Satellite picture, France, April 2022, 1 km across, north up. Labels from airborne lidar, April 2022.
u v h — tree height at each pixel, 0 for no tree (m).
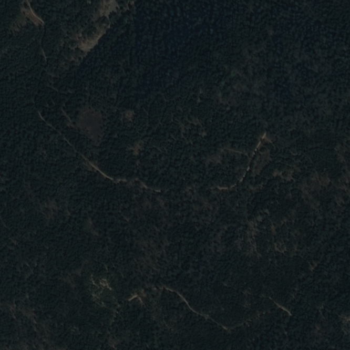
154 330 17
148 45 24
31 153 17
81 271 18
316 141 10
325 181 12
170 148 22
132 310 33
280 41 24
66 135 22
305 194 16
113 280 16
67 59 15
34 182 22
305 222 14
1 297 19
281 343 16
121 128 16
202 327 22
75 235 25
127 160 16
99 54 18
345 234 16
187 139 22
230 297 11
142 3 17
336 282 31
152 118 13
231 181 14
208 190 10
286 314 16
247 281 20
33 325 20
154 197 22
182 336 15
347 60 16
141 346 29
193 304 17
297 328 22
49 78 21
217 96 14
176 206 9
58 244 24
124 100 16
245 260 23
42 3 19
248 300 23
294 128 17
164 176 14
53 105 19
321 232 32
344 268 8
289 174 10
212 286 16
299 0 10
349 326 11
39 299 21
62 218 23
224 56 27
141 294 14
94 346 20
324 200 16
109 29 7
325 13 23
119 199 20
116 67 13
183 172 16
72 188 11
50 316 22
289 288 18
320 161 12
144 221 17
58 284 23
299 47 29
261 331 21
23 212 22
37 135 29
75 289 15
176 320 11
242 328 16
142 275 18
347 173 13
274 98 26
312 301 28
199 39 17
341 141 14
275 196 19
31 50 20
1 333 18
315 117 17
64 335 20
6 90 19
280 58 18
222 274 18
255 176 17
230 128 26
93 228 24
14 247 21
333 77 17
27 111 21
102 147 15
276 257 23
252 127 22
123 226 10
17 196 20
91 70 20
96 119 0
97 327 26
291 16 25
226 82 29
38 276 27
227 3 20
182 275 23
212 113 18
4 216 23
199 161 19
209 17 20
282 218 20
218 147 21
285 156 18
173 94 17
